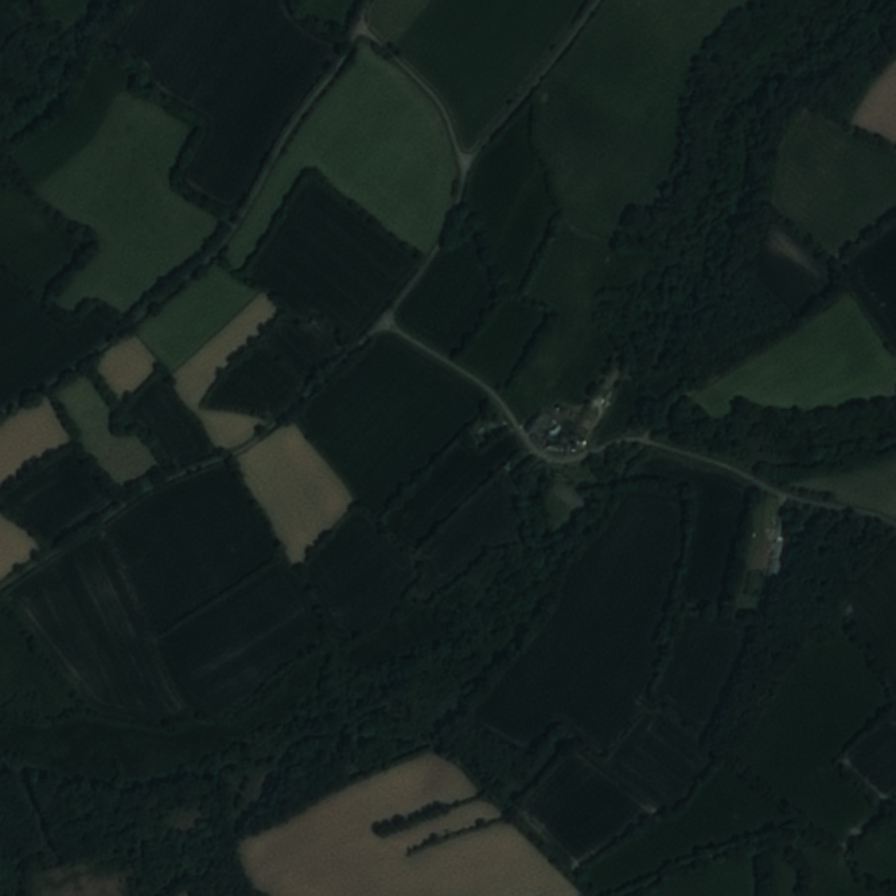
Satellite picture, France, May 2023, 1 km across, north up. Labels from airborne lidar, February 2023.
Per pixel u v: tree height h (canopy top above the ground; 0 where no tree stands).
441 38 0
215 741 0
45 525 0
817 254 12
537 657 0
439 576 0
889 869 0
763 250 0
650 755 0
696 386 18
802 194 0
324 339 0
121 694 0
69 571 0
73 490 0
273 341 0
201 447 0
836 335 0
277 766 6
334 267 0
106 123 0
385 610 0
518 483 19
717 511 0
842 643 0
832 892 0
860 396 0
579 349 0
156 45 0
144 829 11
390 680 7
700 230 11
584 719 0
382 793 0
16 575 11
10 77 9
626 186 0
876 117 0
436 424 0
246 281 12
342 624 0
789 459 0
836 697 0
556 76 0
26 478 14
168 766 0
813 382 0
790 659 18
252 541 0
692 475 0
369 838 0
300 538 0
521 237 0
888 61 8
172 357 0
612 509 12
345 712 17
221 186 0
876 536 8
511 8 0
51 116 14
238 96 0
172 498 0
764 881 21
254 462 0
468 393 0
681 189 21
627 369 22
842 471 6
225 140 0
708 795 0
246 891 13
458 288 0
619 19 0
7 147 12
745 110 18
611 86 0
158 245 0
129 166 0
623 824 0
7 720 7
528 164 0
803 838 11
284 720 0
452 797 0
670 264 8
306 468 0
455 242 13
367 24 0
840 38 17
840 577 21
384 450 0
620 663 0
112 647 0
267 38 0
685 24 0
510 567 11
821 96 16
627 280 0
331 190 7
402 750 13
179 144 0
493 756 19
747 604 0
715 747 21
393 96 0
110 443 0
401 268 0
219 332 0
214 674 0
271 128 0
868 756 0
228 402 0
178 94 0
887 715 13
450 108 0
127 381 0
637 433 12
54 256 0
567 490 0
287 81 0
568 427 0
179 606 0
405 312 0
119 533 0
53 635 0
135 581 0
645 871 0
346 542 0
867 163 0
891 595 0
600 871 0
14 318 0
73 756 0
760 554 0
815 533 21
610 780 0
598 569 0
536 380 0
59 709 0
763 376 0
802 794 0
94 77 0
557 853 0
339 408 0
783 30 10
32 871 8
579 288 0
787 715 0
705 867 13
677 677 0
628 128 0
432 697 0
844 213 0
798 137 0
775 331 14
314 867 0
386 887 0
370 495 0
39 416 0
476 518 0
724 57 19
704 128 16
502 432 11
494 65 0
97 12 27
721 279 21
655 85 0
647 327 8
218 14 0
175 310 0
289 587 0
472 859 0
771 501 0
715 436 13
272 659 0
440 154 0
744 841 9
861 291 0
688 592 0
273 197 0
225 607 0
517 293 6
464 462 0
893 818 14
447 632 19
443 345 0
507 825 13
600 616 0
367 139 0
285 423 15
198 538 0
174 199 0
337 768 19
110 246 0
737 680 19
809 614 23
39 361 0
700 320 18
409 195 0
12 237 0
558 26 0
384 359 0
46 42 9
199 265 10
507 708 0
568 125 0
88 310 11
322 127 0
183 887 18
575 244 0
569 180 0
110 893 0
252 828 16
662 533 0
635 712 0
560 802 0
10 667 0
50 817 18
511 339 0
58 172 0
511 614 10
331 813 0
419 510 0
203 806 10
